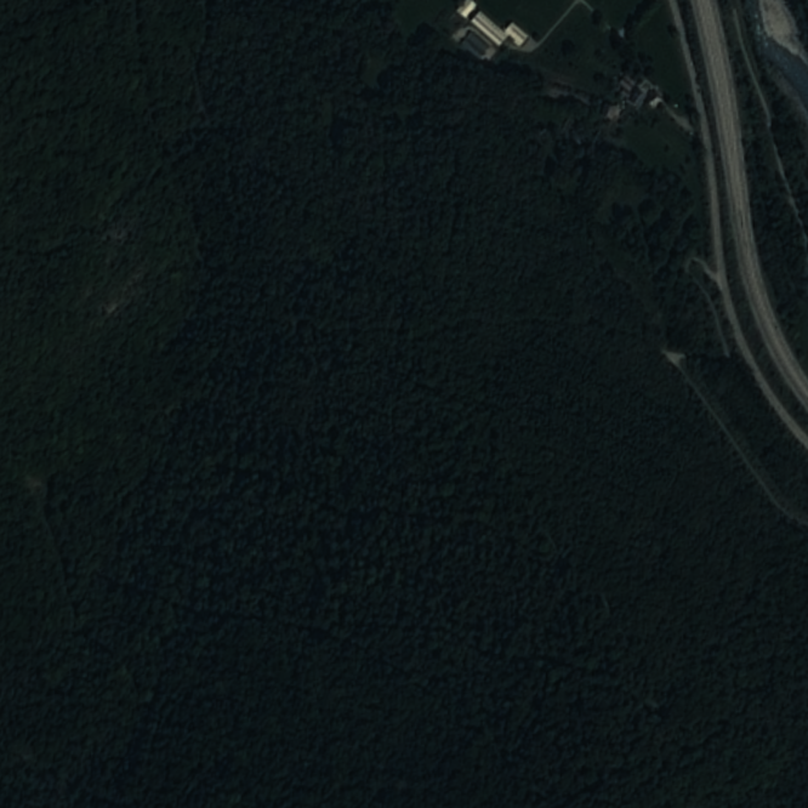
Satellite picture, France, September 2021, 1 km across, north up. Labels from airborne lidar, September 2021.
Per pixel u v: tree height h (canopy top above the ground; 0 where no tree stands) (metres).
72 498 20
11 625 28
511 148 24
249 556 27
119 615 19
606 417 19
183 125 11
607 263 13
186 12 18
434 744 21
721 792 18
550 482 17
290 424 14
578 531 17
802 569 24
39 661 26
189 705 25
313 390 13
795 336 10
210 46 18
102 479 15
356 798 23
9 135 16
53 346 13
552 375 22
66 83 24
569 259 23
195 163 23
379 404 20
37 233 20
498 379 23
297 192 24
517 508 12
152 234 13
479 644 18
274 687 24
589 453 19
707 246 7
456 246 17
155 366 24
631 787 23
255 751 26
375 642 22
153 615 24
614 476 21
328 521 21
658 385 15
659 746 22
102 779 24
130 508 20
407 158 18
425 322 21
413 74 19
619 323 23
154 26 14
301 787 20
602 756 23
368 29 19
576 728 22
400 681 19
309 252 29
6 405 18
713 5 0
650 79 11
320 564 13
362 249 25
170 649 24
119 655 21
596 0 0
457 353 18
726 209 5
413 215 22
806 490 15
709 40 0
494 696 25
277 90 20
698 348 6
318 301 23
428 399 18
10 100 29
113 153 22
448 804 24
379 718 21
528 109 20
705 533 16
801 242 13
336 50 17
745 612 19
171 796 21
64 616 20
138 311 13
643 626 17
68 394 11
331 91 22
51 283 19
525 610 12
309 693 21
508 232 23
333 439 16
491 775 22
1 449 22
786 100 6
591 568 18
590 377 22
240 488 24
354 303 24
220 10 21
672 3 0
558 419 24
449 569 12
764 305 0
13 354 13
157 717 11
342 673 17
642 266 15
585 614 13
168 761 22
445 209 22
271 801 22
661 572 19
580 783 23
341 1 18
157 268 14
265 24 24
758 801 19
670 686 17
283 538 12
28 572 22
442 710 10
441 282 17
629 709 19
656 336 17
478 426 15
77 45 19
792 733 21
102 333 9
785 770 20
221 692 28
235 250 24
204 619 9
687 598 17
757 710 19
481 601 10
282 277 23
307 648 20
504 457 12
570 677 21
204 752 19
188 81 14
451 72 15
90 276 14
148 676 23
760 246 7
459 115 26
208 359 23
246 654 23
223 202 24
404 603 23
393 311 15
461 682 24
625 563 18
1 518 24
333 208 19
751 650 9
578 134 8
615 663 21
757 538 14
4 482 24
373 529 13
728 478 13
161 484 17
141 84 17
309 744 18
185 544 21
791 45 0
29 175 15
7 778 26
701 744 10
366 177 21
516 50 0
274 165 19
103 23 15
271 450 14
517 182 17
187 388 22
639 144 0
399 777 19
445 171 26
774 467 12
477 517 23
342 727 23
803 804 22
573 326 18
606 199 15
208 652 26
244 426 14
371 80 0
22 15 12
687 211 15
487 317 20
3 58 21
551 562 9
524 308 19
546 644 20
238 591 26
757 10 0
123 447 21
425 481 13
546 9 0
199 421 22
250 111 22
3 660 21
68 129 18
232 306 23
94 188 15
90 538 15
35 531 17
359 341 17
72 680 16
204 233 23
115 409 21
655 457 21
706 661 14
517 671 24
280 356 31
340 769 22
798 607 20
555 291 24
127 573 13
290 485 12
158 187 23
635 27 13
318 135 18
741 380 9
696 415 16
